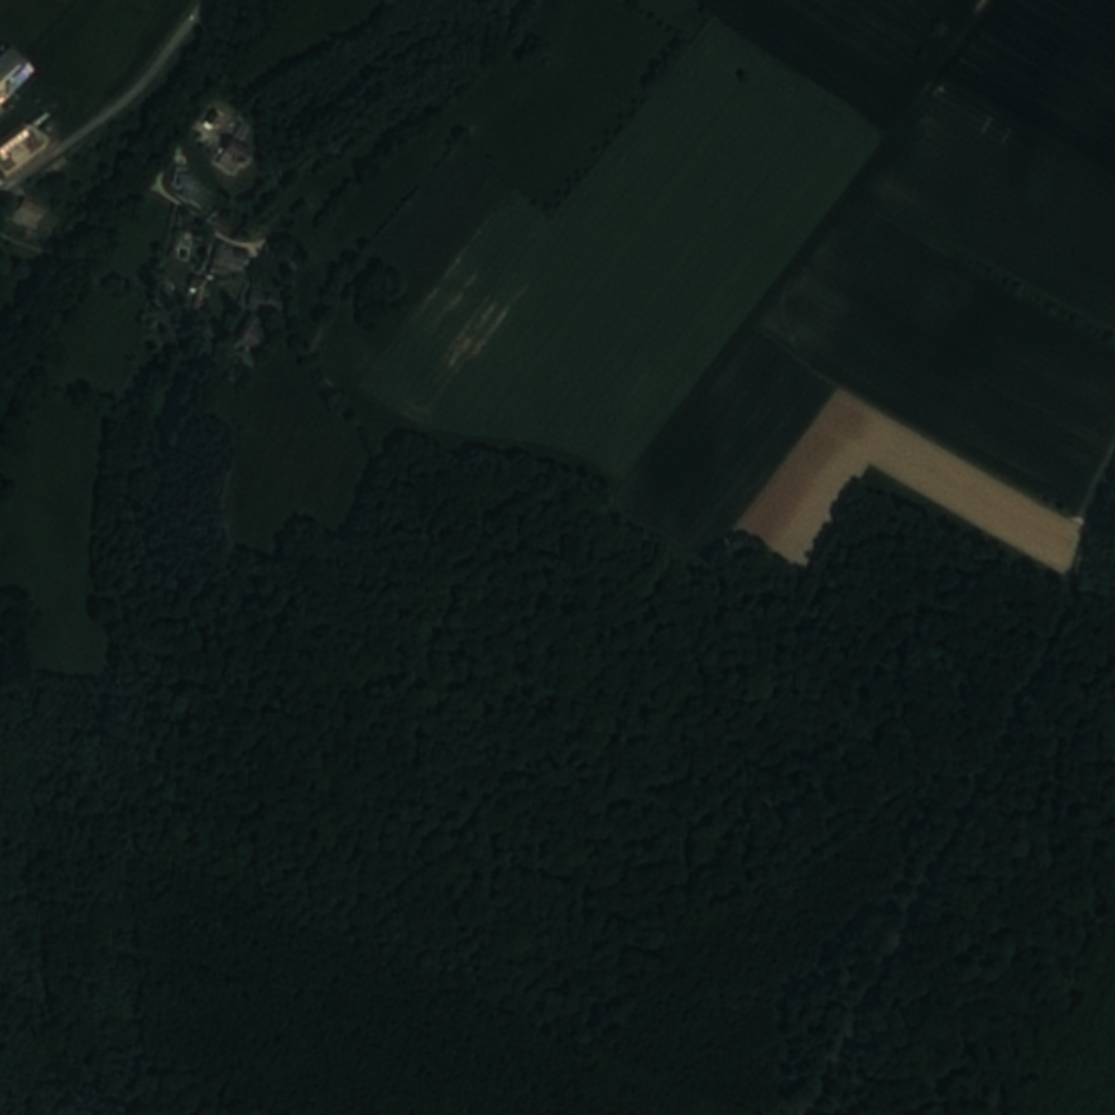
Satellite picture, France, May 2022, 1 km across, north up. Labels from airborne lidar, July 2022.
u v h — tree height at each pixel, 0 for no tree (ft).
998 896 93
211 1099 71
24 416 86
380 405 0
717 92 0
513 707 94
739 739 79
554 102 0
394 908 69
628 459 0
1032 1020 94
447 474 92
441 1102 85
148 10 0
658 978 26
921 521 80
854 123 0
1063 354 0
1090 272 0
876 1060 89
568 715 83
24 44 0
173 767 94
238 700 91
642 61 0
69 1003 78
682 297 0
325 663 94
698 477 0
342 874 83
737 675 77
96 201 73
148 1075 97
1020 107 0
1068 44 0
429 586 85
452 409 0
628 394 0
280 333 50
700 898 83
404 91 85
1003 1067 101
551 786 77
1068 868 95
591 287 0
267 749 71
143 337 0
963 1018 95
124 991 75
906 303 0
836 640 93
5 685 81
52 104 0
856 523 65
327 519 0
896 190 0
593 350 0
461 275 0
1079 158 0
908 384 0
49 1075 70
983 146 0
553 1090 75
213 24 72
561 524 75
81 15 0
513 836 75
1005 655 89
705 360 0
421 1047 81
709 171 0
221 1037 83
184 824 77
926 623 95
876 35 0
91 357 0
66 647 0
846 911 30
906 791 23
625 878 79
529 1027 89
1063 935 101
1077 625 81
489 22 64
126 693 81
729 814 73
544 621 94
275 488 0
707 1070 34
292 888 78
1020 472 0
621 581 76
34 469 0
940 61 0
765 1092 24
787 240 0
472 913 97
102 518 45
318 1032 74
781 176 0
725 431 0
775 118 0
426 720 90
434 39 56
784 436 0
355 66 65
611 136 28
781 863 88
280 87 60
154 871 86
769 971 26
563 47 0
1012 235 0
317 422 0
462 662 82
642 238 0
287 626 87
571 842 86
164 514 103
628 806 86
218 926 84
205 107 52
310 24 0
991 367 0
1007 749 82
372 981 81
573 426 0
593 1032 48
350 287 37
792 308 0
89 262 84
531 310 0
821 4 0
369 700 86
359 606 87
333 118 70
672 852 64
